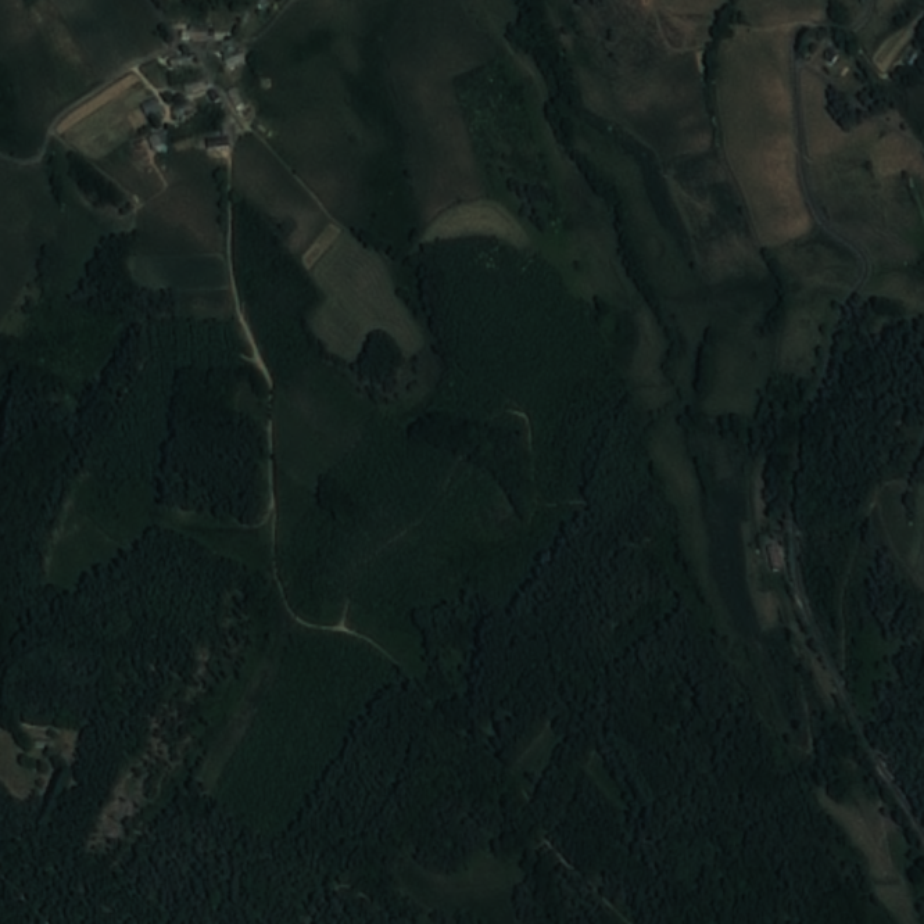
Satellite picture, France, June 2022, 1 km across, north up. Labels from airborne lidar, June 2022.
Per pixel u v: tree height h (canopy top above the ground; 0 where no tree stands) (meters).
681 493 0
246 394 0
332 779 22
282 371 7
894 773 13
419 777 20
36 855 19
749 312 0
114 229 0
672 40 0
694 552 0
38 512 20
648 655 29
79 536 0
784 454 23
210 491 24
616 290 0
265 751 5
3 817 19
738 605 0
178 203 0
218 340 8
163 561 17
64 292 0
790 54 0
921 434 0
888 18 0
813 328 0
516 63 0
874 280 0
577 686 24
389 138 0
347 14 0
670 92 0
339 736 7
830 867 27
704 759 22
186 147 0
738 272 0
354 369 15
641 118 0
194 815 20
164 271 0
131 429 9
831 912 21
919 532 0
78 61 0
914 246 0
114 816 0
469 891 0
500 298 7
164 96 9
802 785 18
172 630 17
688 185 0
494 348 8
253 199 0
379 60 0
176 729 18
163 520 0
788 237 0
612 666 9
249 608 17
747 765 26
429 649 15
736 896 7
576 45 0
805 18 0
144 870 17
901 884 0
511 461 22
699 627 24
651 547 6
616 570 28
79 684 27
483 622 8
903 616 19
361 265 0
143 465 8
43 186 0
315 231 0
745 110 0
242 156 0
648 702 11
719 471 0
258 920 16
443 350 10
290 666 6
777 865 30
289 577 7
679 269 0
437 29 0
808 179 0
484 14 0
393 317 0
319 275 0
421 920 16
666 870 17
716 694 26
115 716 15
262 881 19
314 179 0
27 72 0
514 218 0
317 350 7
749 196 0
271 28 0
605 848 20
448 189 0
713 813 25
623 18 0
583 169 14
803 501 17
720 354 0
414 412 0
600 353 7
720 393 0
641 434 22
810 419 14
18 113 0
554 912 12
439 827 19
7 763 0
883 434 22
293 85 0
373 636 0
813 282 0
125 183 0
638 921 10
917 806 21
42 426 25
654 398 0
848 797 13
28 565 20
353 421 0
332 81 0
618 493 24
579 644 20
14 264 0
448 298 6
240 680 16
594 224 0
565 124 13
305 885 19
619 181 0
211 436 28
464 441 26
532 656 21
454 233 0
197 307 0
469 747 10
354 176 0
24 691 22
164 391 7
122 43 0
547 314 7
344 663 6
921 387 22
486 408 8
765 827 22
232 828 18
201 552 21
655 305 16
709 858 22
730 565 0
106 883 14
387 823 23
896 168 0
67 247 0
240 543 0
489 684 25
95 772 22
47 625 19
